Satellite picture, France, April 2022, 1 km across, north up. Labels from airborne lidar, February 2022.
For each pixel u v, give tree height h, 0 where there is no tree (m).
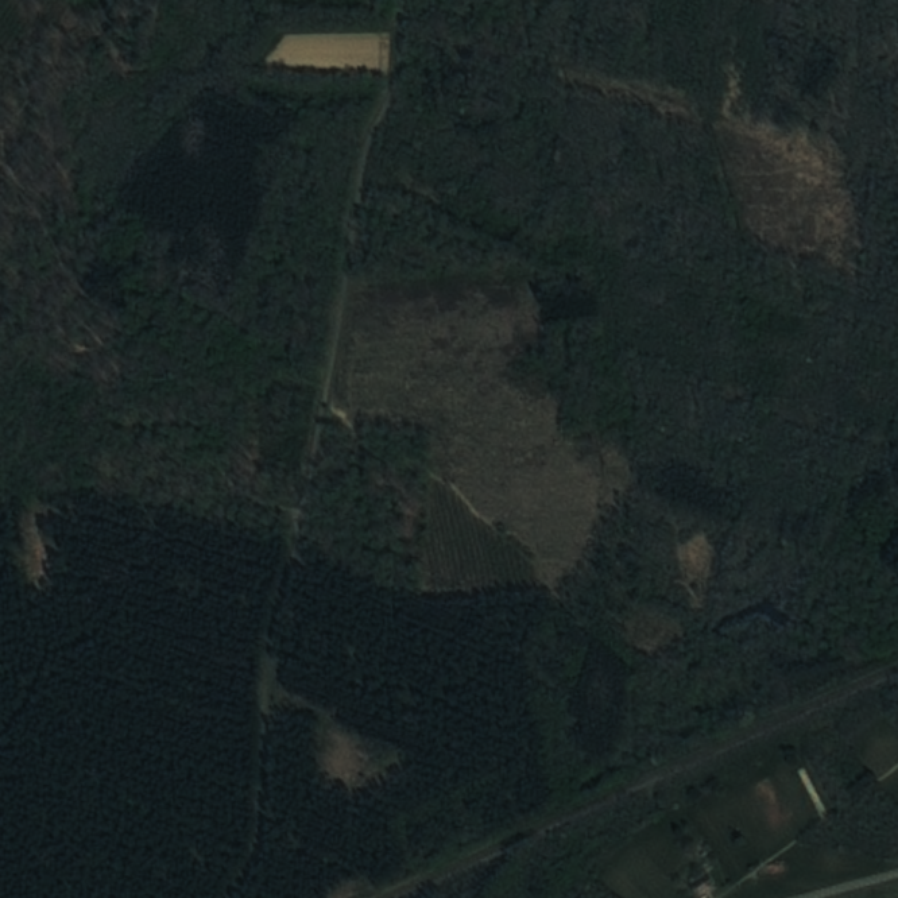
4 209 32
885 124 17
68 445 24
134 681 27
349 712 21
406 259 29
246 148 21
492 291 0
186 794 30
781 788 0
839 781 13
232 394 31
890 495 18
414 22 26
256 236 29
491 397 0
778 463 16
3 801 27
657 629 0
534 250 14
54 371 27
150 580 29
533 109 27
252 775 30
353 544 26
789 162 0
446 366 0
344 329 0
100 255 25
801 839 7
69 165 26
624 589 25
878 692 10
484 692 28
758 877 0
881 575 25
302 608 24
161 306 24
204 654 28
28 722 29
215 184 23
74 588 28
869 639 28
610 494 0
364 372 0
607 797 0
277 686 0
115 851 29
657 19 21
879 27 15
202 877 30
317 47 0
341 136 29
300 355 27
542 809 30
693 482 26
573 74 0
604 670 24
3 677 23
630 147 23
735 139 0
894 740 0
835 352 6
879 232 17
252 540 24
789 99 22
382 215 16
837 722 20
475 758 25
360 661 19
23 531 27
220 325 27
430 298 0
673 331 12
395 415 0
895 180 14
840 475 25
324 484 29
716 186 22
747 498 22
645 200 21
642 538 20
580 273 22
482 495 0
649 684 27
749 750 19
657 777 0
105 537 27
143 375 29
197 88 26
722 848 0
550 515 0
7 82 15
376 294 0
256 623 27
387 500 17
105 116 18
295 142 27
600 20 26
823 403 11
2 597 27
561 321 19
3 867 30
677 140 21
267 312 28
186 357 28
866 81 15
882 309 20
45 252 29
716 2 18
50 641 26
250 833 30
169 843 25
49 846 28
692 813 0
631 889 0
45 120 31
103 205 20
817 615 22
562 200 28
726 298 13
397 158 15
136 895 28
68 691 29
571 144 22
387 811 23
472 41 30
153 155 20
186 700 24
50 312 27
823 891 0
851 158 18
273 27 21
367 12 15
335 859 22
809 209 0
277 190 22
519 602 28
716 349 12
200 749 27
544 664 25
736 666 28
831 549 22
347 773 0
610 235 21
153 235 29
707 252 24
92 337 30
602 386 28
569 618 27
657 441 25
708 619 10
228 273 24
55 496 23
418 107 22
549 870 25
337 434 25
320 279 32
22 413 26
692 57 20
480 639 24
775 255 26
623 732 26
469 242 28
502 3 32
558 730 24
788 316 11
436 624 25
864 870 0
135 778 25
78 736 32
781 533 16
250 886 20
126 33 27
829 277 22
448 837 21
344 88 20
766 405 15
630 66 28
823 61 24
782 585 7
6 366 29
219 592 13
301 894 30
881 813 15
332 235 27
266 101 20
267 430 23
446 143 7
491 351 0
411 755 26
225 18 25
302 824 26
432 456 24
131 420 27
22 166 29
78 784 28
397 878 22
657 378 23
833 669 29
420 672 29
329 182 31
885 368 7
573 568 0
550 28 24
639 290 7
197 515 24
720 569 9
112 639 28
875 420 10
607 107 22
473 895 21
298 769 23
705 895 0
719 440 20
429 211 24
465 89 21
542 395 0
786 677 30
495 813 25
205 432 25
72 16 0
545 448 0
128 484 25
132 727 25
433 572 0
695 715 26
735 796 0
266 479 31
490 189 20
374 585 29
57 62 28
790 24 19
